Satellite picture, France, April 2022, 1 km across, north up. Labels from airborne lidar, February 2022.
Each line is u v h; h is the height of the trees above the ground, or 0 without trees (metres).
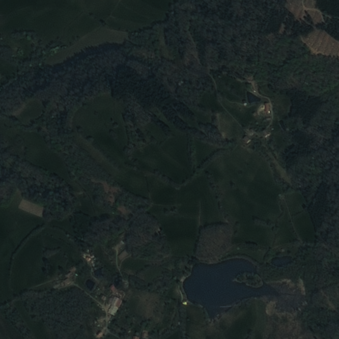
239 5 27
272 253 19
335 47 0
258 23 16
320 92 25
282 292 0
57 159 0
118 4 0
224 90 0
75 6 0
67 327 14
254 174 0
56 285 0
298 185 13
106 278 17
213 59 19
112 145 0
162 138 0
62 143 9
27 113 0
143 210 24
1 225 0
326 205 19
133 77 37
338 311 24
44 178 26
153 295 0
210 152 0
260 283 8
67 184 11
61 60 0
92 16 16
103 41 0
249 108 0
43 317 19
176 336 0
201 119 0
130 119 28
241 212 0
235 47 14
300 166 25
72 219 0
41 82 22
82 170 17
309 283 10
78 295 13
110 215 0
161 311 0
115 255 0
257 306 0
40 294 20
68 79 30
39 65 13
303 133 19
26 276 0
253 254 0
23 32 17
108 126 0
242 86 0
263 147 6
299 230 0
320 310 18
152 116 22
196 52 21
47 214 21
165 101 36
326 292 17
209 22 34
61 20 0
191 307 0
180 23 29
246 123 0
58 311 19
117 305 0
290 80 30
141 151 0
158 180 0
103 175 15
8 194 27
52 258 0
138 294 0
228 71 26
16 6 0
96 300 0
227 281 0
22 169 32
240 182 0
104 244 21
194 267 0
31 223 0
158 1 0
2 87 10
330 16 19
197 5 28
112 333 15
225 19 12
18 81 16
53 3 0
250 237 0
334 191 26
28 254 0
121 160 0
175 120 31
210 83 23
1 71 0
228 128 0
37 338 0
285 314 0
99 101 0
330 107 23
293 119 18
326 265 25
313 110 13
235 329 0
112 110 0
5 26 0
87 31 0
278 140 0
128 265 0
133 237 27
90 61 29
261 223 18
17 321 18
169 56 0
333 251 26
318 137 22
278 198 0
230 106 0
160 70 28
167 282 13
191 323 0
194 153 17
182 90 28
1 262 0
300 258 19
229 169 0
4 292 0
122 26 0
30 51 0
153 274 0
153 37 17
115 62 31
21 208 0
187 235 0
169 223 0
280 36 20
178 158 0
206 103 0
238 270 0
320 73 29
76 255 0
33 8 0
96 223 29
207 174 14
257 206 0
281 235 0
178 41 33
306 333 0
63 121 18
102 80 26
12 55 18
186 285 0
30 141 0
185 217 0
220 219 0
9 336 0
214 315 0
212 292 0
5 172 34
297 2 0
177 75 23
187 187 0
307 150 19
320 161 30
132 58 9
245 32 26
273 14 15
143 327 14
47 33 0
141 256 21
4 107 26
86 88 28
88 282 0
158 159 0
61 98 24
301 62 20
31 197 21
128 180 0
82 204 0
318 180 9
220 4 21
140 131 19
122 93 36
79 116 0
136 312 0
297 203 0
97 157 0
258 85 7
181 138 0
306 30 21
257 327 0
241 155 0
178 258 8
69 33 0
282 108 0
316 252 24
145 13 0
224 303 0
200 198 0
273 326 0
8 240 0
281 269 15
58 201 29
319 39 0
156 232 0
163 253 23
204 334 0
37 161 0
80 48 0
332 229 20
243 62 19
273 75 25
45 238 0
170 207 0
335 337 26
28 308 23
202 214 0
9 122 0
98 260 9
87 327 0
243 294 0
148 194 0
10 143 0
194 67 29
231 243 23
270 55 31
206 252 24
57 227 7
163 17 0
